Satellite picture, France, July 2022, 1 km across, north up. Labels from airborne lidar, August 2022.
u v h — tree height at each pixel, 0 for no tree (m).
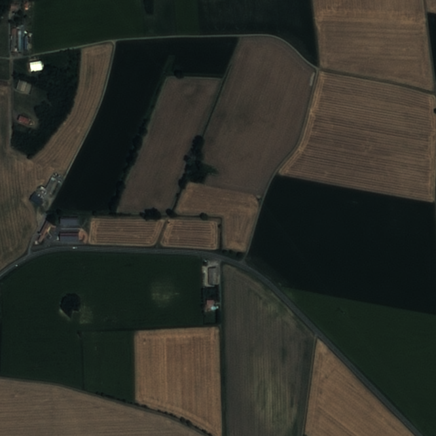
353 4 0
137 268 0
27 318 0
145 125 13
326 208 0
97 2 0
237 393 0
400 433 0
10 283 0
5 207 0
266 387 0
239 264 0
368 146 0
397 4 0
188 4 0
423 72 0
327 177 0
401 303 0
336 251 0
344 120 0
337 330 0
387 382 0
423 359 0
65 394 0
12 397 0
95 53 0
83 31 0
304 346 0
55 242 0
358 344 0
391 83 0
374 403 0
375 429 0
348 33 0
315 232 0
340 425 0
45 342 0
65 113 14
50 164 0
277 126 0
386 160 0
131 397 0
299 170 0
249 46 0
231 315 0
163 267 0
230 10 0
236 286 0
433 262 0
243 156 0
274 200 0
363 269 0
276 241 0
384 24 0
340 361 0
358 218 0
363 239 0
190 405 0
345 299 0
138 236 0
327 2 0
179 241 0
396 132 0
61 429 0
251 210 0
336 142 0
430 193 0
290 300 0
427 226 0
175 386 0
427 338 0
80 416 0
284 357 0
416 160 0
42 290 0
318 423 0
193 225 0
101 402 0
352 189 0
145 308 0
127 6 0
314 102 0
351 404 0
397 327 0
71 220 0
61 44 0
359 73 0
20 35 0
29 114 0
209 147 0
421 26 0
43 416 0
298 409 0
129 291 0
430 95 0
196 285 0
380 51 0
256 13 0
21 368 0
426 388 0
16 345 0
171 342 0
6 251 0
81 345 0
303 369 0
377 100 0
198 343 0
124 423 0
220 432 0
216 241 0
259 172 0
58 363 0
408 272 0
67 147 0
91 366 0
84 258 0
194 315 0
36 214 0
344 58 0
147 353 0
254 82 0
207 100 0
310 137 0
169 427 0
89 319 0
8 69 0
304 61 0
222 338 0
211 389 0
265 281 0
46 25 0
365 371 0
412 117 0
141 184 0
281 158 0
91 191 0
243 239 0
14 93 0
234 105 0
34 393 0
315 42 0
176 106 0
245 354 0
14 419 0
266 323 0
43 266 0
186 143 0
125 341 0
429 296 0
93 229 0
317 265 0
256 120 0
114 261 0
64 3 0
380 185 0
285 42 0
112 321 0
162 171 0
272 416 0
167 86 0
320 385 0
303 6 0
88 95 0
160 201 0
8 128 0
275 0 0
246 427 0
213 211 0
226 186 0
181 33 0
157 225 0
